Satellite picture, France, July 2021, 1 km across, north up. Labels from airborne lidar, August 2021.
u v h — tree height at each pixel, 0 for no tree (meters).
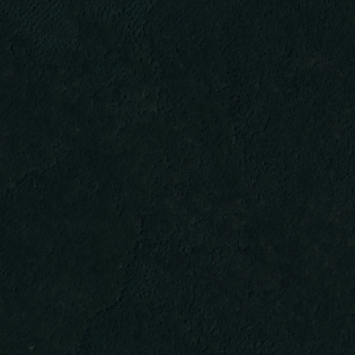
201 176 27
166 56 21
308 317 27
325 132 17
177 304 31
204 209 22
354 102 22
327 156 23
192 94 28
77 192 12
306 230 18
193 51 25
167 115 24
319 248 20
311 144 19
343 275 22
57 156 20
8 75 16
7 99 23
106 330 20
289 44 21
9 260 29
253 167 22
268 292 28
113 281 24
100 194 24
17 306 19
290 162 20
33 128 23
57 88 26
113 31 26
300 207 21
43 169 26
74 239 22
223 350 23
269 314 22
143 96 23
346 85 20
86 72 21
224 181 18
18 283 23
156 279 27
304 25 11
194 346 25
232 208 21
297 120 16
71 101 23
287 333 21
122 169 25
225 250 27
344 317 25
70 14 24
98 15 8
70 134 24
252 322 24
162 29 22
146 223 26
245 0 28
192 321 24
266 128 6
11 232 21
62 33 27
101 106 22
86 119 20
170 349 22
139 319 23
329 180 14
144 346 19
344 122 14
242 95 20
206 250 26
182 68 18
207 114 23
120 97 25
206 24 21
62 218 23
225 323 25
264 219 21
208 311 24
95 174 21
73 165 26
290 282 19
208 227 24
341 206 15
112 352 24
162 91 20
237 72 32
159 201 23
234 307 26
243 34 21
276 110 19
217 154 27
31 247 20
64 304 24
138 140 22
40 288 25
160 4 27
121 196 26
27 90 18
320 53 17
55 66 22
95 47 23
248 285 20
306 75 16
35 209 22
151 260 26
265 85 21
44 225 24
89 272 22
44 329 21
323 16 16
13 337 23
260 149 19
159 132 27
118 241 19
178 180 9
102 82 24
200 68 24
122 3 21
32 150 23
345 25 19
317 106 20
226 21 22
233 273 24
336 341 26
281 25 15
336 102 18
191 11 22
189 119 28
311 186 23
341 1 19
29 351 25
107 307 26
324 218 22
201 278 23
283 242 21
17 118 22
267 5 23
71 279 24
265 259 21
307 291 22
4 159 21
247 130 24
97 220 24
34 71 20
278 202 21
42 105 19
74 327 24
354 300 22
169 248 23
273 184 21
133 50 21
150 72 30
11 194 21
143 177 22
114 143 22
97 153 29
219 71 25
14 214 20
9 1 22
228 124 23
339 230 22
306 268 23
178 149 26
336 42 12
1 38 25
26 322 17
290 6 15
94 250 23
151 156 26
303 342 29
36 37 20
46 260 20
